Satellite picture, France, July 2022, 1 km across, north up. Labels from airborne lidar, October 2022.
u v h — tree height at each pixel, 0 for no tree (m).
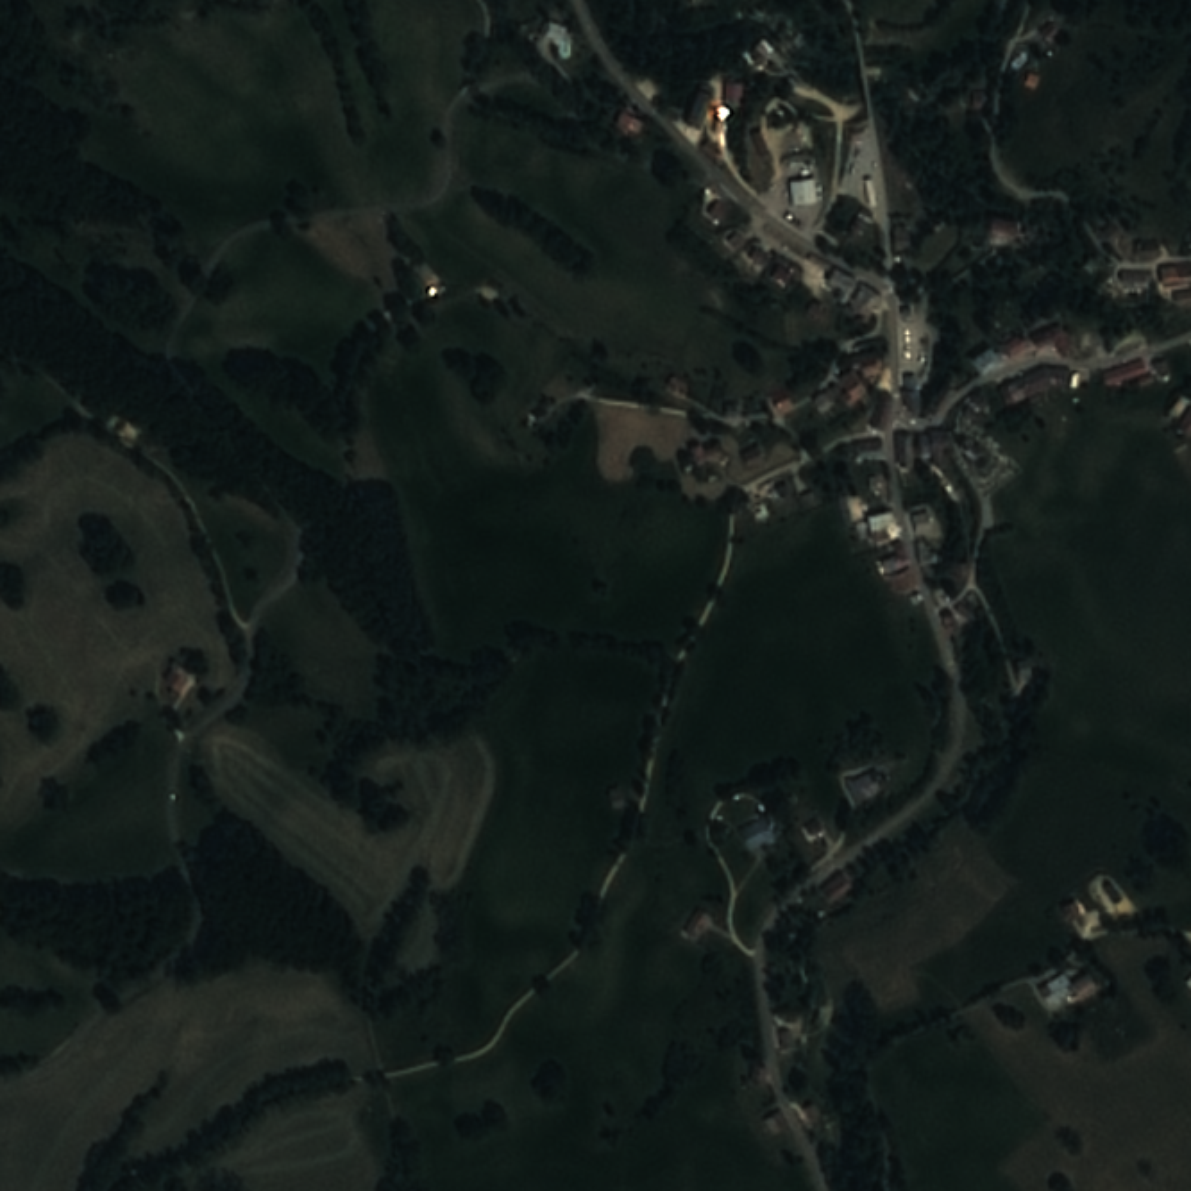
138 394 26
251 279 0
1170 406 6
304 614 0
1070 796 0
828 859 0
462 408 0
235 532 0
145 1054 0
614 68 0
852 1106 20
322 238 0
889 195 0
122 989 8
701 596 0
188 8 0
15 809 0
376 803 24
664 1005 0
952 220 10
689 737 0
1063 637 0
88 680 0
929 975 0
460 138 0
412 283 21
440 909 18
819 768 0
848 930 0
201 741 0
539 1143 0
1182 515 0
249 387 26
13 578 15
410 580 25
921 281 15
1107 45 0
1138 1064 0
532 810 0
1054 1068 0
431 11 0
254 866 35
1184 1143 0
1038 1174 0
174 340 0
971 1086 0
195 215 0
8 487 0
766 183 0
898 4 0
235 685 0
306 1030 0
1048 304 20
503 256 0
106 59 0
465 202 0
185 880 26
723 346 0
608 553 0
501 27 10
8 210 0
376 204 0
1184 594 0
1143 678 0
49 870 0
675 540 0
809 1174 0
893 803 8
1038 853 0
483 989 0
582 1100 0
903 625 0
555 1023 0
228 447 26
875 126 0
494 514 0
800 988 14
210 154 0
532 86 0
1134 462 0
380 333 6
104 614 0
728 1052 8
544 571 0
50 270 0
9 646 0
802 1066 0
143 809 0
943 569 15
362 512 24
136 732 14
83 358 25
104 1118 0
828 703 0
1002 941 0
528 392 0
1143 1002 0
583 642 18
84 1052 0
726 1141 0
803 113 16
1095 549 0
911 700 0
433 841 0
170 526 0
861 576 0
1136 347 0
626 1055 0
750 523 0
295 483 32
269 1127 0
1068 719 0
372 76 16
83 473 0
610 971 0
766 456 0
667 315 0
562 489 0
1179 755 0
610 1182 0
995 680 0
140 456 17
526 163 0
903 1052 0
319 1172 0
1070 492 0
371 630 21
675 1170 0
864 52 6
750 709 0
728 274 6
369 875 0
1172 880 0
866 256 8
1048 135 0
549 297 0
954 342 12
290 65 0
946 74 17
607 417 0
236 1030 0
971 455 0
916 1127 0
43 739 14
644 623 0
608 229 0
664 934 0
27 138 22
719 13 9
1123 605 0
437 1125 0
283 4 0
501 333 0
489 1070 0
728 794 13
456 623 0
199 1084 0
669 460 0
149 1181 18
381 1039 0
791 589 0
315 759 0
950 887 0
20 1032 0
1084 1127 0
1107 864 0
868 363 0
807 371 14
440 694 17
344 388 7
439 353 0
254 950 18
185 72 0
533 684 0
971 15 0
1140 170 0
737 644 0
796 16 7
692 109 0
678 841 0
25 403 0
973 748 0
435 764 0
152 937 19
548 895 0
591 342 0
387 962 24
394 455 0
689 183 0
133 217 24
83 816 0
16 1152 0
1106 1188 0
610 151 16
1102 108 0
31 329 25
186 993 0
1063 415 0
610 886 0
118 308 26
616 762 0
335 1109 0
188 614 0
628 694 0
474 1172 0
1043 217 11
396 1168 16
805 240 0
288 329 0
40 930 8
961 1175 0
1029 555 0
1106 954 0
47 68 8
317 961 20
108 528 21
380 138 0
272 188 0
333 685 0
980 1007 0
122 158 0
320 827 0
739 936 0
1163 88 0
